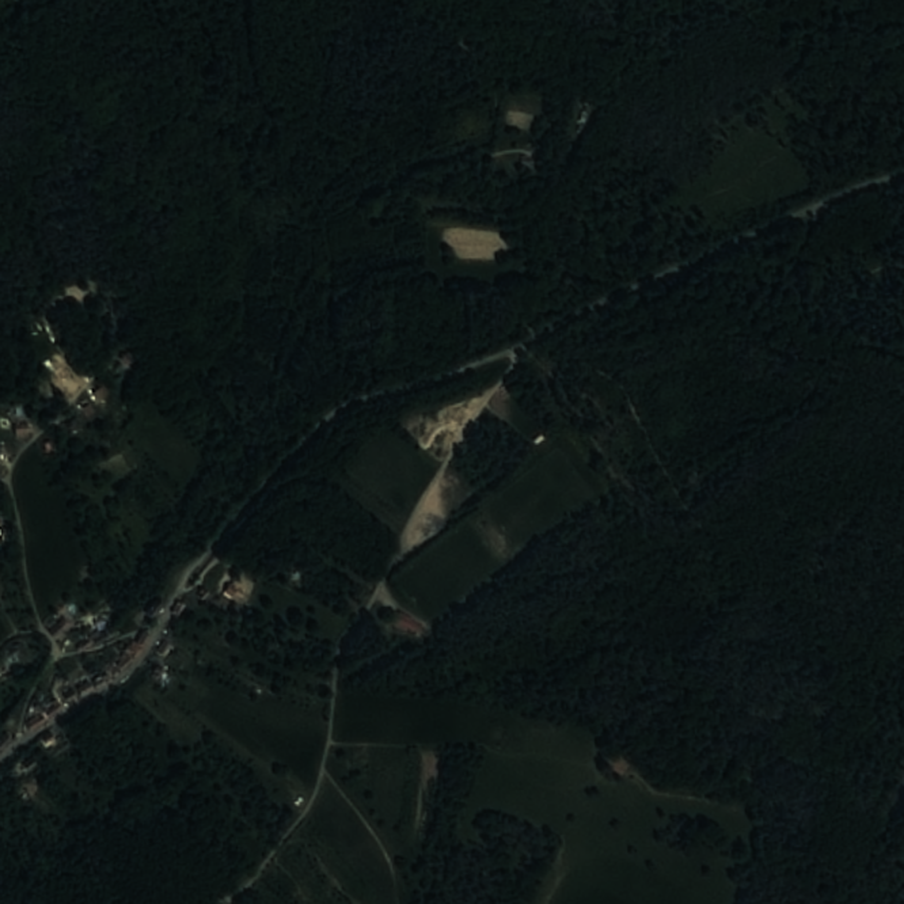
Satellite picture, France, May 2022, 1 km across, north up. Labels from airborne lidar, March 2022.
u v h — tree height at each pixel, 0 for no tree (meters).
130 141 26
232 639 13
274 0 21
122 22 26
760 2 11
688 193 0
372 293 23
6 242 14
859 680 19
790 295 31
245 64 10
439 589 0
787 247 29
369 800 9
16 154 23
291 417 23
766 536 19
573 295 25
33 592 0
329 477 10
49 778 9
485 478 11
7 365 19
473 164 18
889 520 23
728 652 21
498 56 18
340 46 27
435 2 16
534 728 0
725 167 0
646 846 0
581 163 20
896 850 27
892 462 19
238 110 22
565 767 0
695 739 22
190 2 19
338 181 7
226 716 0
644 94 13
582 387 20
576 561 19
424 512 0
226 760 12
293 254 11
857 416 19
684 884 0
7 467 0
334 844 0
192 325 20
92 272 15
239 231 18
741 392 8
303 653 15
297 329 10
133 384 16
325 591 7
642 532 17
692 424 11
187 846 25
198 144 30
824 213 13
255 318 8
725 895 0
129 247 25
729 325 29
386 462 0
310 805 0
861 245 16
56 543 0
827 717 21
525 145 0
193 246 22
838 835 26
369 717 0
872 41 25
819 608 21
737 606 17
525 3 19
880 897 25
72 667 0
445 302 22
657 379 8
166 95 29
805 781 27
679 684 13
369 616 21
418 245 8
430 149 9
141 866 26
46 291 11
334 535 22
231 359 13
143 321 20
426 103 23
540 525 0
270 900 0
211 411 10
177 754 14
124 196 27
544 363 18
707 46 17
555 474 0
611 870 0
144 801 17
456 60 16
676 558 10
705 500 21
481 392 0
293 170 10
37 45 24
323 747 0
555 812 0
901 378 16
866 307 26
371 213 11
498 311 23
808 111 26
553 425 14
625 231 26
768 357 17
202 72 8
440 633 19
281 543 21
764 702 22
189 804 15
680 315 30
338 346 17
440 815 12
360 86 28
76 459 15
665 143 15
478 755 8
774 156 0
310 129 17
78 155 24
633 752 18
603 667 17
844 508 16
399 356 23
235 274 16
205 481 18
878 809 26
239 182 17
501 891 18
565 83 17
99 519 12
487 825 15
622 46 16
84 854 15
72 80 22
